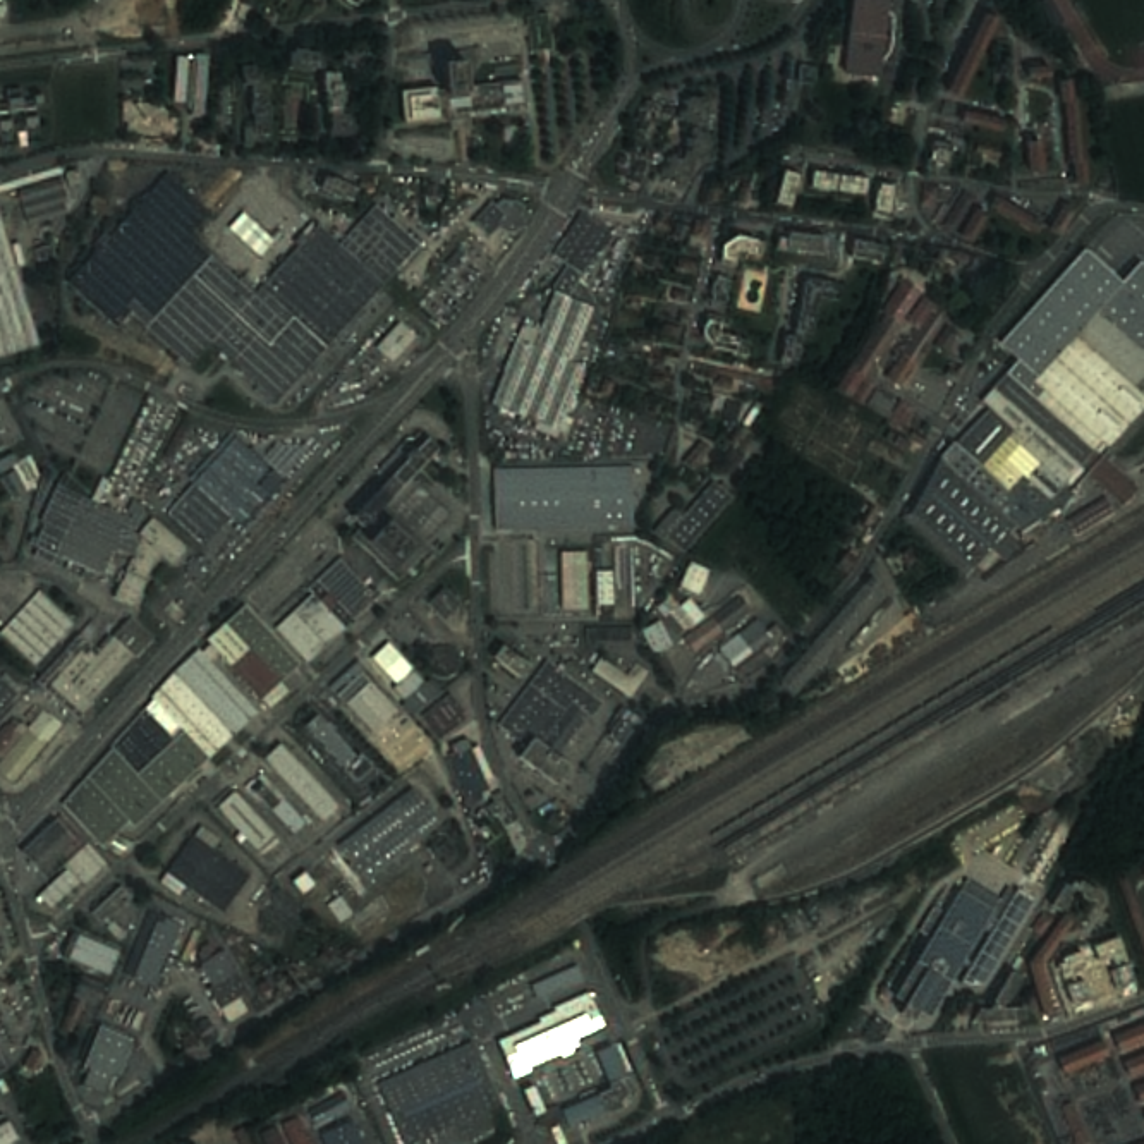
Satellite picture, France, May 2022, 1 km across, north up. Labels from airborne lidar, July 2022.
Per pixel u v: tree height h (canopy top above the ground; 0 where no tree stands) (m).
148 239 0
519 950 0
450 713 0
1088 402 0
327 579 0
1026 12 23
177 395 0
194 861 0
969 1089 0
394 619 0
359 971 13
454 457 0
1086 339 0
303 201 0
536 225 0
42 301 0
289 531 0
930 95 8
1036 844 0
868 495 0
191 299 0
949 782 0
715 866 0
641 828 0
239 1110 21
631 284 14
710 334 0
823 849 0
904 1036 0
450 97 0
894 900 0
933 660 0
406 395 0
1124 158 0
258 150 14
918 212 0
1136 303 0
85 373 0
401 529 0
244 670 0
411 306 0
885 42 0
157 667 0
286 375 0
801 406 0
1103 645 0
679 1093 17
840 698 0
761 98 10
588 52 0
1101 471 0
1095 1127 0
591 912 0
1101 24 0
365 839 0
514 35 0
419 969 0
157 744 0
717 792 0
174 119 5
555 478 0
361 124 19
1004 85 14
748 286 0
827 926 0
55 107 0
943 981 0
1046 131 0
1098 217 0
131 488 0
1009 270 18
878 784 0
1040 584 0
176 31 0
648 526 14
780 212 8
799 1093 14
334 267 0
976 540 0
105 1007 0
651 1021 0
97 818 0
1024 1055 0
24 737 0
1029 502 0
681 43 0
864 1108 23
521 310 0
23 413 0
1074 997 0
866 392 0
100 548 0
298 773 0
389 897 0
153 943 0
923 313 0
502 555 0
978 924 0
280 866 0
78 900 0
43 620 0
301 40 19
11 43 0
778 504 13
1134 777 9
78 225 7
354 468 0
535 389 0
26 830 0
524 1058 0
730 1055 10
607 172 0
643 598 0
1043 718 0
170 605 0
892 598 0
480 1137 0
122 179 0
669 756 0
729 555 0
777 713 6
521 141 15
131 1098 0
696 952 0
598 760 0
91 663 0
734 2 0
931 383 0
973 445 0
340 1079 18
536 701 0
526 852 0
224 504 0
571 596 0
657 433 0
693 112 0
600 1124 0
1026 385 0
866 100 12
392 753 0
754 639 0
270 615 0
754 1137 0
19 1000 0
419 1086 0
